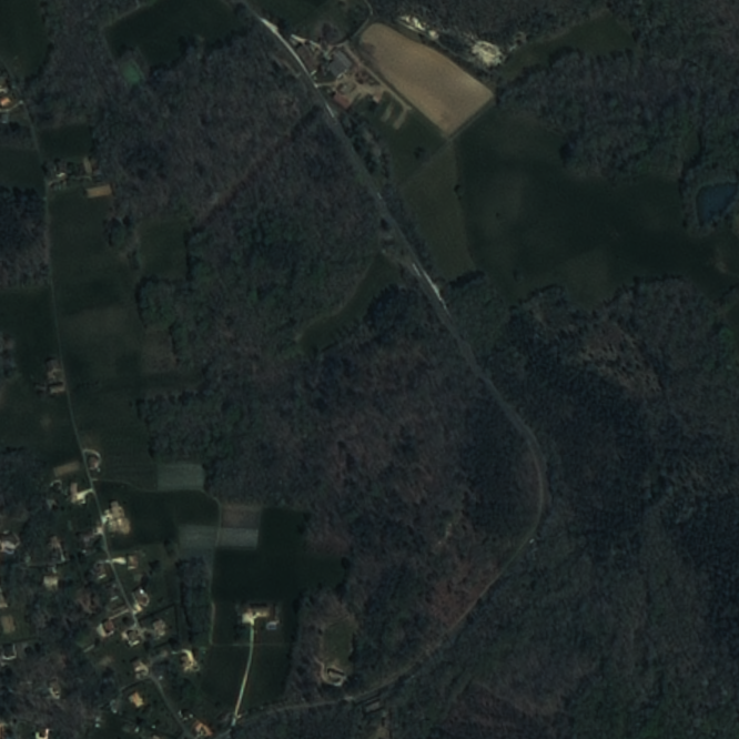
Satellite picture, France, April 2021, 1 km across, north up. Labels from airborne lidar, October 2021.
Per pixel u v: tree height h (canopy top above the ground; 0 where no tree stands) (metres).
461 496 22
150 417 16
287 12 0
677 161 18
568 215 0
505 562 7
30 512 13
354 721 21
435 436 19
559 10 16
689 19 24
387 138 0
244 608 11
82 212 0
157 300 25
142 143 20
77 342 0
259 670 0
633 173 10
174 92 28
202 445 17
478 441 0
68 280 0
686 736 23
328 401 25
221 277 22
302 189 22
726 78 18
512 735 10
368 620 19
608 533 22
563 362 19
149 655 16
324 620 7
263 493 18
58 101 17
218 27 0
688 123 22
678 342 20
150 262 0
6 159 0
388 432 16
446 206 0
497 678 24
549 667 21
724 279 0
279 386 14
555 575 20
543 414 25
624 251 0
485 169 0
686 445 25
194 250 16
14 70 0
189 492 0
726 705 20
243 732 15
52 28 14
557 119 21
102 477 0
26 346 0
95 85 14
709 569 22
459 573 0
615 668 21
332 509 15
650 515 27
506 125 0
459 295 23
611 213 0
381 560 22
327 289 22
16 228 22
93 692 19
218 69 20
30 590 19
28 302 0
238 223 21
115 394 0
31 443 0
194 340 18
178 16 0
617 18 15
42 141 0
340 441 12
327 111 0
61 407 0
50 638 19
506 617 19
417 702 20
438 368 15
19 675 11
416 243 24
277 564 0
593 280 0
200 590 14
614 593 22
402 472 11
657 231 0
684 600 23
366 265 18
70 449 0
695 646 24
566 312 20
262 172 23
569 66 18
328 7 0
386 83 0
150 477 0
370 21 22
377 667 15
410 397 22
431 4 11
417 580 14
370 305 0
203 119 14
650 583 21
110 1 19
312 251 26
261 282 23
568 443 24
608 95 10
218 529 0
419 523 17
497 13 13
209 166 21
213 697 0
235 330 24
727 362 23
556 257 0
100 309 0
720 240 0
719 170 17
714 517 22
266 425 20
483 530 0
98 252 0
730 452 15
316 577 0
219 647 0
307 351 0
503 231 0
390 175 23
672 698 22
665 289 18
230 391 10
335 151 30
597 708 23
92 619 7
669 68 19
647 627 9
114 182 18
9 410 0
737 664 22
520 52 0
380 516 17
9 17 0
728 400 19
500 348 20
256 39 18
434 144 0
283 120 24
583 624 22
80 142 0
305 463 15
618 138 27
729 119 29
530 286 0
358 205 20
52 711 16
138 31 0
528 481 20
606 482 18
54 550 7
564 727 9
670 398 15
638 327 21
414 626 12
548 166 0
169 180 22
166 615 0
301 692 21
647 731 26
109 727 0
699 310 19
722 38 13
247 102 26
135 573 0
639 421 17
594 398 20
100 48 20
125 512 0
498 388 27
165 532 0
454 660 19
